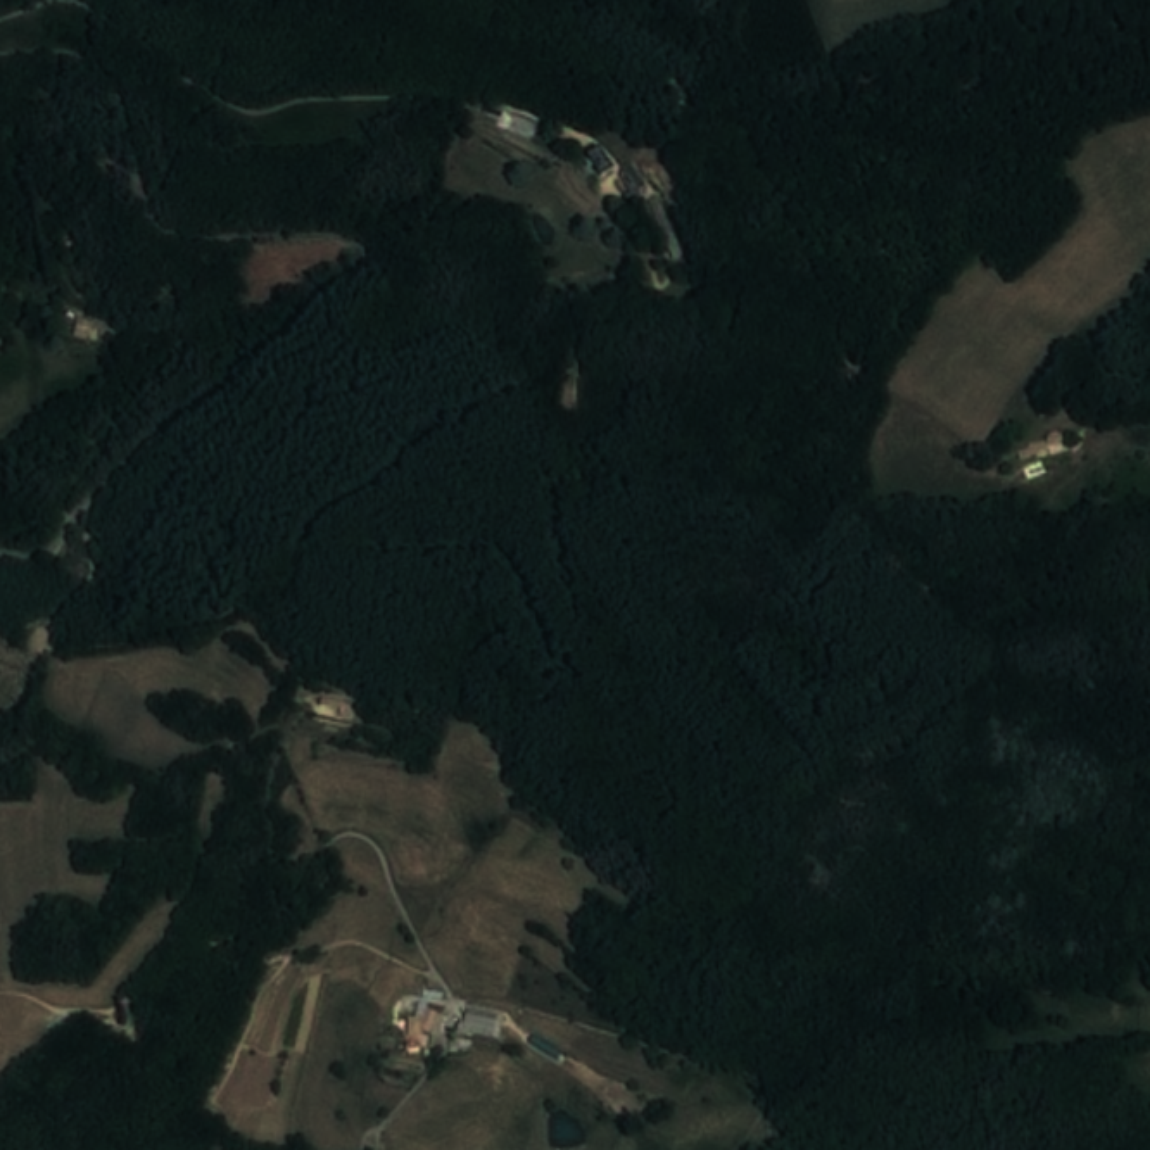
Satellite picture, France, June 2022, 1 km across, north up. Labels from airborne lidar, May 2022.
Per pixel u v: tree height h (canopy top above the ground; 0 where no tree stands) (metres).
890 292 21
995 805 23
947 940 18
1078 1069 24
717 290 24
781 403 19
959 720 18
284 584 22
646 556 23
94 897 0
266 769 9
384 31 17
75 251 10
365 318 25
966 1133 21
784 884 12
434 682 27
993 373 0
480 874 0
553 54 26
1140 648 20
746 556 17
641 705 26
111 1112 21
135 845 11
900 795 9
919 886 17
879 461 0
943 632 23
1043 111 23
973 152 23
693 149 23
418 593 26
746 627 15
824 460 22
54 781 0
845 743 22
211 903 15
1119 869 12
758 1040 20
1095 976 22
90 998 0
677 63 27
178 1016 19
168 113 21
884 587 27
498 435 26
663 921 19
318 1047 0
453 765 0
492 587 28
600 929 21
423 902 0
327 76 23
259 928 18
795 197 20
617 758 30
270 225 17
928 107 25
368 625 24
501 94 22
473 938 0
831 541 26
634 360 21
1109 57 22
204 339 26
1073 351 26
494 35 23
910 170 18
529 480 26
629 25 16
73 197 9
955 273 21
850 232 18
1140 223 0
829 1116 26
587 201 0
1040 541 20
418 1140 0
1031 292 0
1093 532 30
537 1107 0
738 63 21
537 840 0
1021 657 18
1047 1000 0
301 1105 0
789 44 8
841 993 19
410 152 21
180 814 14
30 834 0
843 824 12
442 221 28
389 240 24
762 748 27
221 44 18
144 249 23
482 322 22
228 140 17
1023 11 22
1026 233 18
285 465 31
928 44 16
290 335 30
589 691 23
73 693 0
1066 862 17
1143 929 18
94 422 19
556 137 20
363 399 29
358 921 0
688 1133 0
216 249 19
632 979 20
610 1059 0
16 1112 19
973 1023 19
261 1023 0
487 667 28
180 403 18
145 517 16
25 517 23
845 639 22
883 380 18
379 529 30
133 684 0
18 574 17
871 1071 25
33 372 0
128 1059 13
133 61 22
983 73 21
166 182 14
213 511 30
